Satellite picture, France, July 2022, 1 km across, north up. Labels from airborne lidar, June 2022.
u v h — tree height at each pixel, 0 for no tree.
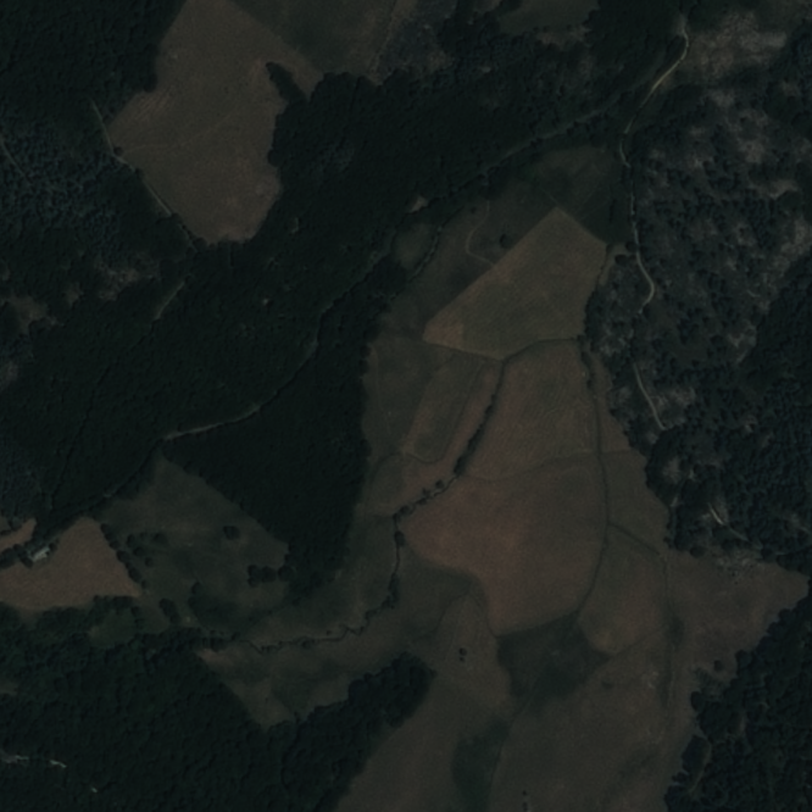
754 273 13
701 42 0
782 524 17
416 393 0
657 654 0
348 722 17
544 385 0
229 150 0
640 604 0
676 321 0
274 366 15
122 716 15
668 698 0
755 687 15
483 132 21
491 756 0
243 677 0
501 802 0
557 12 0
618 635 0
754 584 0
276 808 24
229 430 14
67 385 13
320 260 16
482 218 0
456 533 0
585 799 0
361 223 18
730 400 19
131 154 0
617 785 0
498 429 0
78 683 15
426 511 0
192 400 15
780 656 22
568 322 0
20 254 9
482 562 0
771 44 0
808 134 11
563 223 0
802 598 0
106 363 14
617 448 0
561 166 0
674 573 0
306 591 7
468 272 0
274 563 0
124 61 15
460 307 0
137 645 11
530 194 0
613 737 0
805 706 13
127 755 17
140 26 14
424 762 0
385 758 0
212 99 0
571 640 0
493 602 0
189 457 13
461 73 20
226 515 0
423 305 0
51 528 15
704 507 13
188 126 0
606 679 0
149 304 15
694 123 11
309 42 0
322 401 16
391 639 0
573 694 0
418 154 19
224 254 12
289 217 16
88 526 0
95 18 13
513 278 0
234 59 0
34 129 7
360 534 0
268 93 0
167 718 16
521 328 0
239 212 0
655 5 20
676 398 0
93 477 17
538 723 0
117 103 6
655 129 13
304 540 13
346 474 16
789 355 29
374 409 0
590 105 14
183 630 10
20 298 8
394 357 0
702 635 0
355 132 13
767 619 0
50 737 14
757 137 0
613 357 7
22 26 18
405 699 19
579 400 0
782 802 6
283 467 15
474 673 0
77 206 19
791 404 17
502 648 0
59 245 11
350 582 0
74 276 11
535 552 0
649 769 0
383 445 0
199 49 0
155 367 17
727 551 7
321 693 0
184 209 0
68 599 0
